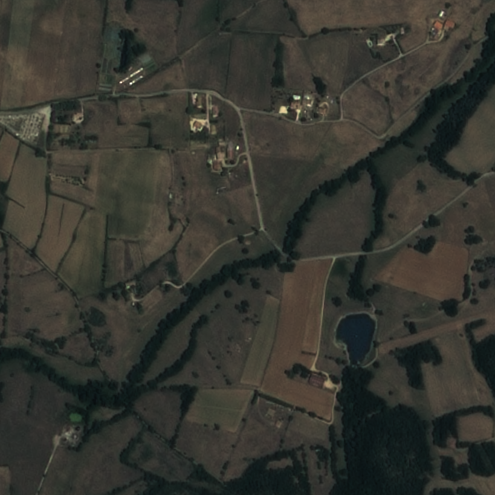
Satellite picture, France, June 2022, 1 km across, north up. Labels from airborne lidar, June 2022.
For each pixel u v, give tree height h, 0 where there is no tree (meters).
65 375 0
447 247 0
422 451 12
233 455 0
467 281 9
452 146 14
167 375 16
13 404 0
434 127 0
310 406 0
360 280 18
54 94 0
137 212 0
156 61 0
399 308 0
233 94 0
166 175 0
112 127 0
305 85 0
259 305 0
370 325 0
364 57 0
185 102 0
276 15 0
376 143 0
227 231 0
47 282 0
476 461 7
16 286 0
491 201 0
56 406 0
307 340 0
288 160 0
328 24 0
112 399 8
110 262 0
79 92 0
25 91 0
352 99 0
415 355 10
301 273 0
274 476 11
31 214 0
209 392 0
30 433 0
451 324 0
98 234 0
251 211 0
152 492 12
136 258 0
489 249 0
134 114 0
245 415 0
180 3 9
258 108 0
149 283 0
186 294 26
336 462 9
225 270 20
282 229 0
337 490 11
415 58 0
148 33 0
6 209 0
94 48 0
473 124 0
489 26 18
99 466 0
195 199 0
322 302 0
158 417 0
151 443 0
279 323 0
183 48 0
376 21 0
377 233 13
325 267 0
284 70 0
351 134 0
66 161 0
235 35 0
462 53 0
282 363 0
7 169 0
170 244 0
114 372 0
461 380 0
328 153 0
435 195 0
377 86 0
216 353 0
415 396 0
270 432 0
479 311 0
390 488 10
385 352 0
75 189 0
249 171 0
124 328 0
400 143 15
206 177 0
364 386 15
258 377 0
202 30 0
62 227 0
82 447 9
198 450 0
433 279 0
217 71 0
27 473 0
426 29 0
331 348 0
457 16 0
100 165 0
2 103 0
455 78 0
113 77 0
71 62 0
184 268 0
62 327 0
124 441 0
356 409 16
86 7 0
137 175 0
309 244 0
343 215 0
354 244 0
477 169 0
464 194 0
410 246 13
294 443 0
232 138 0
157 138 0
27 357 7
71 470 0
